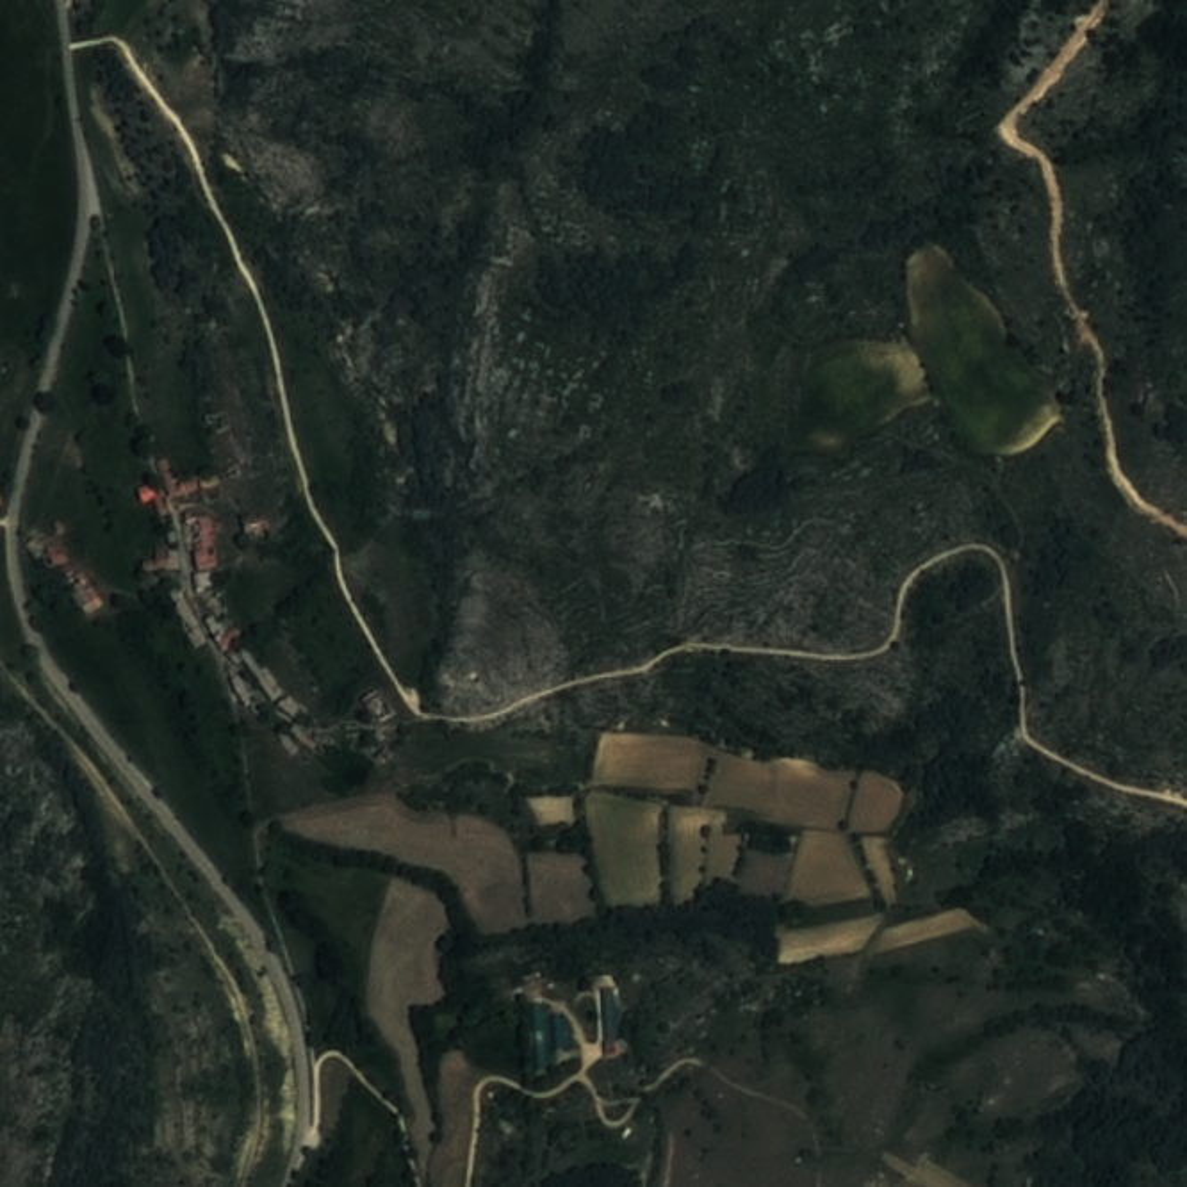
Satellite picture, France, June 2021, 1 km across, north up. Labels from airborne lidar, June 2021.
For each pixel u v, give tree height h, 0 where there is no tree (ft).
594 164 21
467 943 40
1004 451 0
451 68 0
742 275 0
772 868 0
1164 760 0
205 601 0
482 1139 0
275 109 0
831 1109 0
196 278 23
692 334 0
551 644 0
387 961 0
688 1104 0
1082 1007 22
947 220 33
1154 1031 25
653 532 0
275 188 0
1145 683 0
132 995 31
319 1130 0
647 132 21
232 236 0
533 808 0
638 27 0
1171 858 24
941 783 31
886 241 28
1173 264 0
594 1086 0
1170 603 0
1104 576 0
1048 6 26
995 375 0
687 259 24
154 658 25
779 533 0
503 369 0
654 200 19
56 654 0
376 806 0
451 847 0
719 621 0
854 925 0
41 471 0
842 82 0
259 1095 0
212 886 0
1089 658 0
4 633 0
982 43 26
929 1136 0
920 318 0
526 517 0
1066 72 0
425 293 19
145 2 0
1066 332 0
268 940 28
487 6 0
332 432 0
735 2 0
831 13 0
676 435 0
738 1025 0
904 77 0
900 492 0
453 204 0
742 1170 0
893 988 0
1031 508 0
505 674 0
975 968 0
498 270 0
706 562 0
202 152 0
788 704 17
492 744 0
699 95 0
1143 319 23
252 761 0
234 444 0
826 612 0
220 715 0
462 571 0
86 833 32
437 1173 0
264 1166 0
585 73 0
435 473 27
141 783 0
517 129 31
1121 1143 37
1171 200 22
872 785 0
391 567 0
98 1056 23
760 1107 0
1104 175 0
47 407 54
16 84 0
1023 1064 0
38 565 18
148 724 0
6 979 0
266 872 40
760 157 0
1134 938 43
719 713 24
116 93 30
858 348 0
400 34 0
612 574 0
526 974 21
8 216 0
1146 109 25
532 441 0
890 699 0
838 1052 0
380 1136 0
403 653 0
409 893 0
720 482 0
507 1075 0
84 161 0
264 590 0
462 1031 24
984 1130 0
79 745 0
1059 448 0
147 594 39
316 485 25
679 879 0
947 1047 0
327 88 19
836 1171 0
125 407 0
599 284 27
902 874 0
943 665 0
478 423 0
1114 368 25
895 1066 0
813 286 0
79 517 0
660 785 0
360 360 0
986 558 0
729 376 0
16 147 0
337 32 0
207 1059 0
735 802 0
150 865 22
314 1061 0
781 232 0
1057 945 21
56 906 28
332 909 0
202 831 0
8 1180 0
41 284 0
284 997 0
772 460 26
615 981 21
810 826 0
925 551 0
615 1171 43
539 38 23
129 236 0
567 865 0
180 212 18
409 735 25
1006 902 18
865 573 0
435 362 0
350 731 19
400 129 0
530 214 0
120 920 39
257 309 0
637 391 0
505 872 0
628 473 0
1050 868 23
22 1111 0
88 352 0
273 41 0
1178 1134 33
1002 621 0
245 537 30
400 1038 0
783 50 0
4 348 0
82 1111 27
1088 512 0
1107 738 0
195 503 0
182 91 0
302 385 0
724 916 55
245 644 41
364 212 21
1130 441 0
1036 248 0
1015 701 34
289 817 0
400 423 22
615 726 0
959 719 37
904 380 0
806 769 0
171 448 0
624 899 0
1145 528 0
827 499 0
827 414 0
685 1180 0
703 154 0
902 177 0
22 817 21
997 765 0
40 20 0
